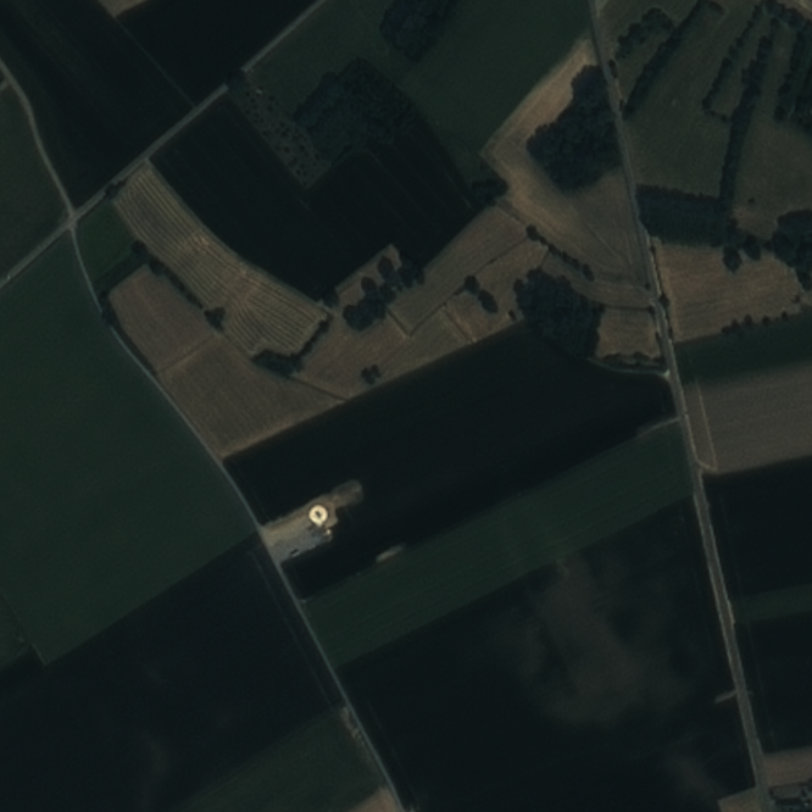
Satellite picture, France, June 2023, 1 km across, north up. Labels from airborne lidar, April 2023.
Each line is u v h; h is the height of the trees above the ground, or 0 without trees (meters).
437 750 0
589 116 35
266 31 0
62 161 0
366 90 6
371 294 14
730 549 0
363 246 0
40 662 0
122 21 0
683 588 0
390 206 0
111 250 0
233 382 0
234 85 14
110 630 0
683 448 0
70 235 0
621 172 0
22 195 0
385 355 0
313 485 0
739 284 0
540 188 0
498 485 0
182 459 0
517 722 0
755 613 0
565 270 0
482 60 0
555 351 0
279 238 0
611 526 0
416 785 0
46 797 0
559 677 0
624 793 0
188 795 0
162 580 0
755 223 0
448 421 0
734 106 0
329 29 0
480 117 0
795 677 0
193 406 0
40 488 0
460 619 0
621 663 0
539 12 0
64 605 0
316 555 0
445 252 0
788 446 0
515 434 0
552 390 0
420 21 26
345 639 0
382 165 0
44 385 0
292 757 0
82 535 0
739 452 0
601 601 0
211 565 0
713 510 0
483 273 0
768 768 0
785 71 0
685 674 0
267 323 0
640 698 0
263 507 0
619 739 0
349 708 0
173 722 0
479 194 12
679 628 0
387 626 0
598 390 0
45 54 0
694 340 0
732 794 0
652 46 0
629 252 0
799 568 0
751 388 0
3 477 0
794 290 0
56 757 0
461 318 0
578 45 0
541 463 0
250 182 0
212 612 0
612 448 0
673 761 0
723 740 0
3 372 0
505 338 0
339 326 0
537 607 0
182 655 0
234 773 0
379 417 0
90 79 0
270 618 0
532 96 0
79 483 0
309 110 18
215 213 0
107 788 0
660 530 0
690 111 0
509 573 0
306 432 0
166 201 0
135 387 0
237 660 0
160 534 0
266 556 0
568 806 0
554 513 0
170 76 0
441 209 0
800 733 0
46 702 0
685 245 0
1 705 0
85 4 0
